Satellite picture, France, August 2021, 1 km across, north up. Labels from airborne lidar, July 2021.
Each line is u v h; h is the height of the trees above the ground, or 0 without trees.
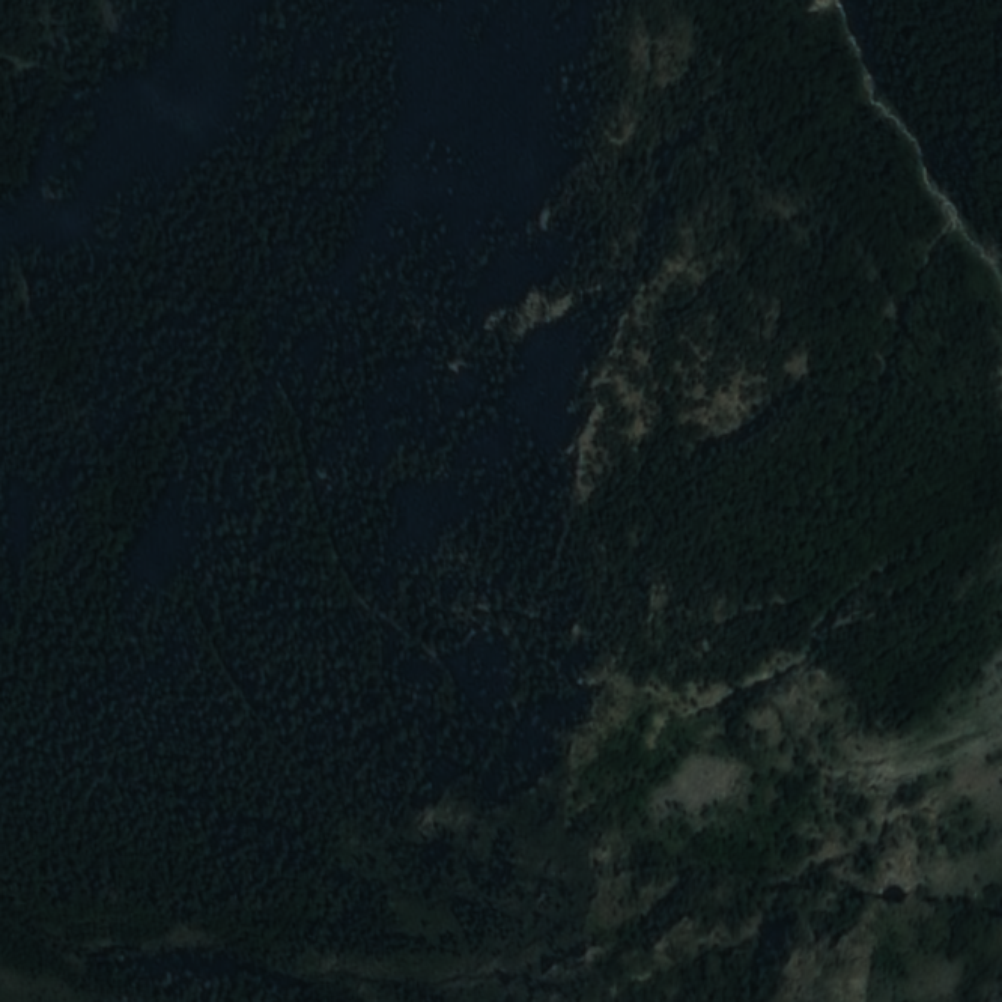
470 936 11
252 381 18
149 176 15
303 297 14
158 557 10
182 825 18
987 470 17
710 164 28
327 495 12
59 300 21
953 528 23
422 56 20
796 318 17
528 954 0
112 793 22
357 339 12
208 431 20
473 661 20
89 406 11
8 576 20
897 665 12
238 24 6
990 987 0
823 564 25
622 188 16
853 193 25
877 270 8
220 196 31
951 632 11
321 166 20
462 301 23
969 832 7
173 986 12
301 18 22
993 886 12
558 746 10
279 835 14
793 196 17
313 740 12
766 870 11
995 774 0
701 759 0
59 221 9
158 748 23
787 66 19
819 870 12
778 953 8
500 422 12
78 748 22
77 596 22
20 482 22
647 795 15
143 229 23
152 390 22
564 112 17
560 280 10
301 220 17
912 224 22
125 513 15
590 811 9
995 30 19
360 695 12
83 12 15
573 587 13
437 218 29
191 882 19
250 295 19
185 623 15
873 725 17
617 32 9
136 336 19
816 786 11
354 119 15
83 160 13
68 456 22
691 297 10
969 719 0
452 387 18
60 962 7
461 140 11
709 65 24
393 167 16
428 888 7
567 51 8
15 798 18
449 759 9
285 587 14
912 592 19
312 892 11
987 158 19
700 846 9
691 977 9
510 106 20
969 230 0
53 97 21
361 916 16
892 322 29
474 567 9
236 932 10
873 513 19
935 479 25
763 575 12
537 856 0
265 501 21
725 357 10
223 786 16
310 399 8
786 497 22
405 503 17
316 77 12
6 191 12
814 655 10
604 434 9
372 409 12
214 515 22
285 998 23
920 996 0
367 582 17
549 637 6
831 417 14
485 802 10
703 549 15
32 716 16
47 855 22
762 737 11
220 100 6
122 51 24
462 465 7
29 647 21
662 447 12
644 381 35
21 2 15
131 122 16
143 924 6
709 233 12
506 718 14
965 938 7
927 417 23
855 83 16
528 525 10
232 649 11
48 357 23
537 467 12
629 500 20
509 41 20
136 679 21
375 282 14
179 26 17
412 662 11
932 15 28
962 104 23
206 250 26
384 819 9
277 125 11
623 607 11
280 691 14
